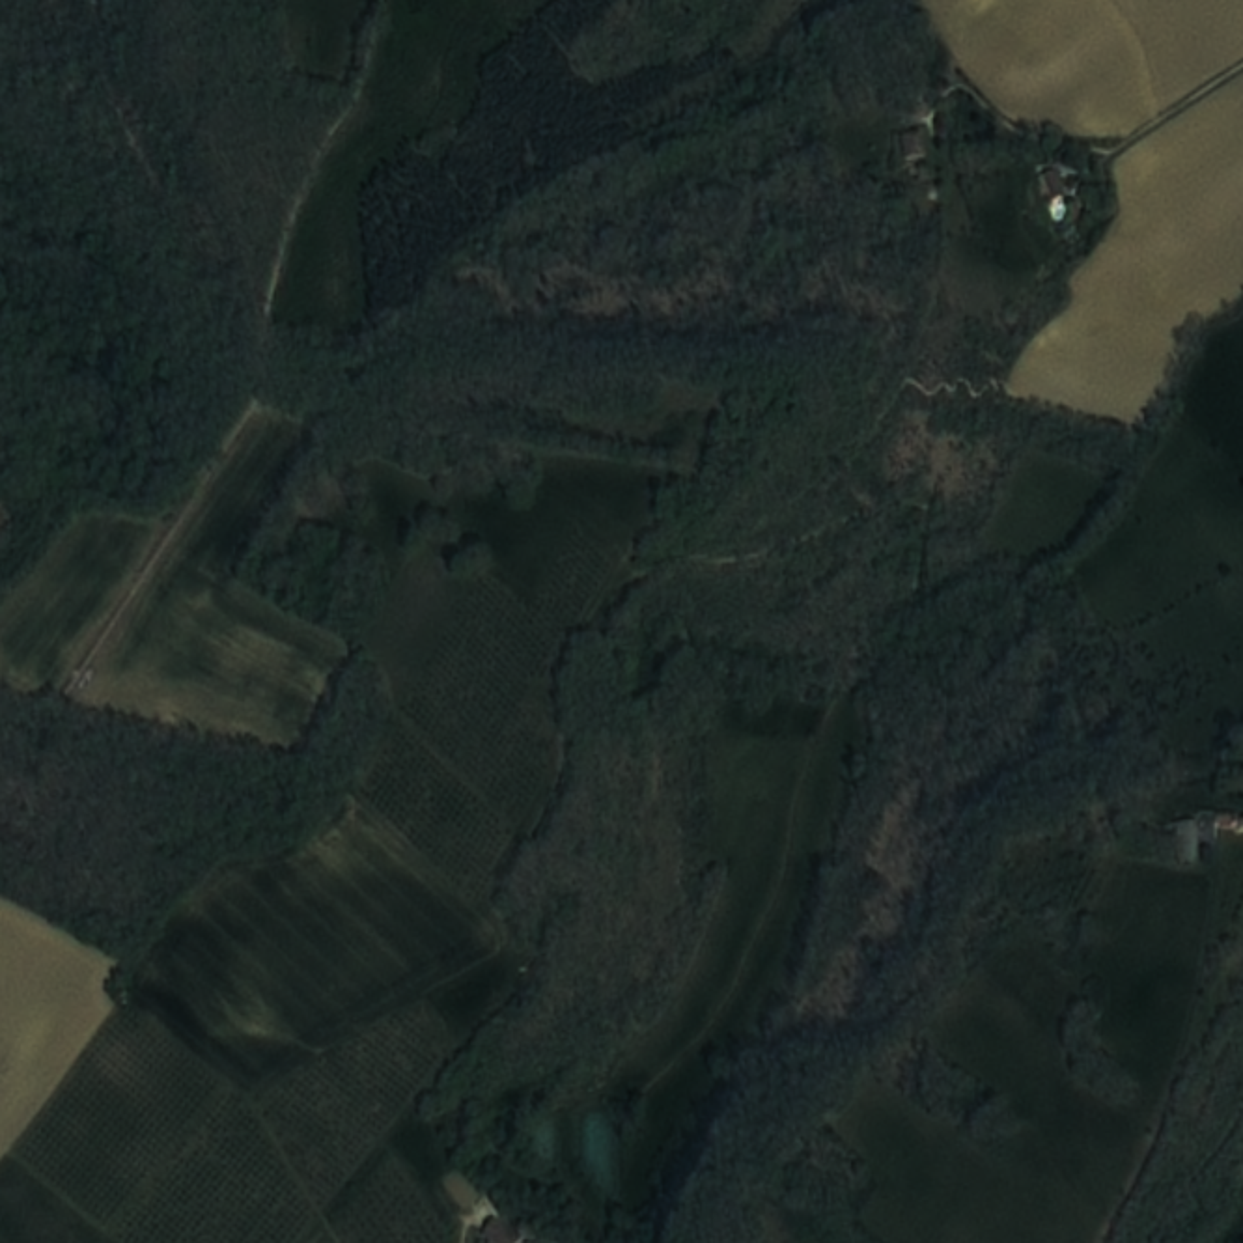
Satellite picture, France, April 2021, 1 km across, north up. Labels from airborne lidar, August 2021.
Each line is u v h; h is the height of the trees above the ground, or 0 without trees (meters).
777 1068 21
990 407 6
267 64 19
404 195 12
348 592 14
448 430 18
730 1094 13
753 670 22
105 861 16
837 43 29
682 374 15
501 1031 11
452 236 11
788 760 0
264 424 0
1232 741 20
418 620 0
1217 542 0
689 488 16
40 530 8
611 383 20
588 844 18
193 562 0
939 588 9
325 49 0
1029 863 0
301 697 0
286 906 0
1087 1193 0
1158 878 0
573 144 13
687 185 14
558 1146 0
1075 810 15
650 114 10
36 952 0
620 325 12
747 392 14
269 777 23
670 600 22
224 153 14
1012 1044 0
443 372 17
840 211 18
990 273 0
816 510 17
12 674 0
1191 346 22
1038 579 18
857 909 8
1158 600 0
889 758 10
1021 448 11
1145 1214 17
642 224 5
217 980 0
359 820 0
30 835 7
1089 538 18
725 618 24
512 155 14
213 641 0
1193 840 0
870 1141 0
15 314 26
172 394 30
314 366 25
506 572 0
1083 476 0
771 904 0
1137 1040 0
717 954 0
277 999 0
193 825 19
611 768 16
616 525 0
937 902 11
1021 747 16
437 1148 0
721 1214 19
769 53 6
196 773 23
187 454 22
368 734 19
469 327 17
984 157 19
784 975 0
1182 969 0
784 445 15
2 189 12
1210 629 0
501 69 12
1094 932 14
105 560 0
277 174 16
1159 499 0
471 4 0
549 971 15
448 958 0
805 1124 18
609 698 29
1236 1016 12
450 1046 0
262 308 12
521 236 11
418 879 0
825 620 20
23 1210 0
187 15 19
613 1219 13
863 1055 15
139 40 9
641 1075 0
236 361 20
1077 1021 15
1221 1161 14
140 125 5
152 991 0
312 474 20
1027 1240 0
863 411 16
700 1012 0
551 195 21
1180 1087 13
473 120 11
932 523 16
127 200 23
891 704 23
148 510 18
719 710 15
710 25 7
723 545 13
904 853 6
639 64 18
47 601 0
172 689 0
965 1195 0
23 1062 0
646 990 10
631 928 7
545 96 14
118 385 41
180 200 10
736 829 0
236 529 0
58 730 19
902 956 14
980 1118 18
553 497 0
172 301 28
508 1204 16
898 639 16
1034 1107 0
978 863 13
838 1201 12
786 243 11
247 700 0
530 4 11
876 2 27
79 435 23
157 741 20
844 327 17
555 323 12
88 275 29
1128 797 17
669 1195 9
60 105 13
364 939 0
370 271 10
